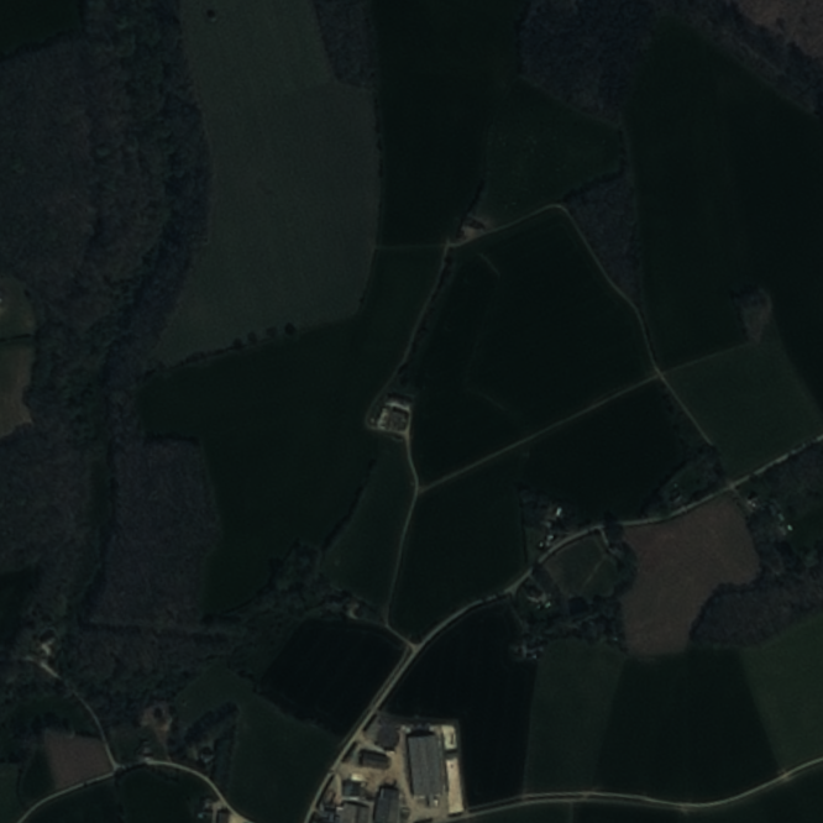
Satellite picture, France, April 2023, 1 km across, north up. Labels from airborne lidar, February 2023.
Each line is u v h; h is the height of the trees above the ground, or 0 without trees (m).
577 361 0
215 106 0
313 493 0
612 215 14
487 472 0
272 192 0
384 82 0
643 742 0
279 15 0
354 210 0
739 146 0
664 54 0
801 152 0
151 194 26
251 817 0
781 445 0
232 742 15
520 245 0
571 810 0
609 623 9
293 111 0
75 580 22
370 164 0
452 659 0
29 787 0
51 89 16
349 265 0
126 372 21
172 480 17
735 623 15
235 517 0
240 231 0
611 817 0
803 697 0
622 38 17
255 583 0
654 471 0
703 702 0
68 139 18
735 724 0
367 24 17
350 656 0
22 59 16
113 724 12
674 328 0
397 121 0
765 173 0
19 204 19
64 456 22
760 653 0
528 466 0
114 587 23
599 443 0
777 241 0
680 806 0
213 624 16
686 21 16
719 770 0
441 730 0
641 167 0
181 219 25
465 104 0
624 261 15
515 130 0
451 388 0
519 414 0
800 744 0
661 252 0
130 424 20
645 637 0
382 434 0
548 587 16
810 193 0
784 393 0
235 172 0
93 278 29
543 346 0
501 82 0
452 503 0
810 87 14
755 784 0
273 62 0
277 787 0
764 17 0
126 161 26
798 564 15
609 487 0
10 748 0
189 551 13
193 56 0
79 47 18
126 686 13
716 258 0
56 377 24
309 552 7
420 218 0
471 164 0
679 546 0
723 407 0
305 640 0
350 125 0
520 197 0
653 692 0
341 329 0
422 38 0
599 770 0
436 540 0
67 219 15
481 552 0
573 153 0
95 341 15
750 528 14
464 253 0
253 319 0
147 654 21
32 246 20
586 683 0
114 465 20
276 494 0
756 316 0
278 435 0
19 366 0
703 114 0
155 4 16
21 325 0
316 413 0
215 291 0
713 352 0
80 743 0
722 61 0
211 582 0
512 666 0
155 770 6
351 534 0
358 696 0
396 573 0
